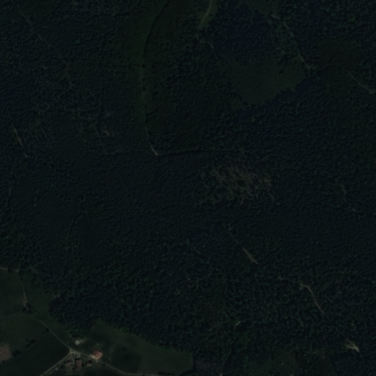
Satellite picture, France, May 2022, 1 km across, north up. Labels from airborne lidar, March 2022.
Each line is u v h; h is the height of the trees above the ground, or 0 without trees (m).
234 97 14
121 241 8
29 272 16
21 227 10
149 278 16
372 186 14
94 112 20
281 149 31
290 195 27
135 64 17
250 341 22
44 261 9
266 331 23
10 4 14
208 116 12
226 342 9
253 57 31
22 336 0
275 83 0
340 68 17
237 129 29
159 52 12
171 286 20
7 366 0
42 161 24
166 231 13
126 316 30
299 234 30
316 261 17
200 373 25
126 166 18
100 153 11
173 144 18
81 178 17
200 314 5
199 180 28
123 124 19
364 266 27
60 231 9
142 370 0
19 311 0
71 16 14
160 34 18
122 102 18
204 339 14
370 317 6
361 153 21
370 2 28
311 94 33
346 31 21
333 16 14
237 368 21
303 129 29
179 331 27
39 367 0
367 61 26
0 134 31
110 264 14
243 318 27
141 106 17
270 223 21
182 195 18
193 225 10
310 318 14
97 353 0
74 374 0
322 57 20
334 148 26
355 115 20
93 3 6
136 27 13
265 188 24
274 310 8
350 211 15
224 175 26
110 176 16
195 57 16
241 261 22
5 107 31
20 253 11
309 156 29
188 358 0
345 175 23
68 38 15
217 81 12
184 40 10
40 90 31
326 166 28
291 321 27
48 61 8
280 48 16
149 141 11
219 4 10
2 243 11
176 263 21
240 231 15
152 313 19
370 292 13
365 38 35
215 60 30
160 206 16
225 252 25
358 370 33
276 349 15
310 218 30
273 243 19
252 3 0
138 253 9
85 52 22
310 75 10
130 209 17
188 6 13
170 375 8
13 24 9
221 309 9
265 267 19
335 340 33
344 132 28
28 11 7
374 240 28
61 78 7
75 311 31
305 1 35
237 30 23
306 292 12
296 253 20
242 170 31
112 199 21
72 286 10
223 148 21
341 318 16
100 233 9
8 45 10
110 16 11
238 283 15
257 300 31
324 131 28
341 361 31
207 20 0
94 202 12
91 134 6
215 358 21
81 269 18
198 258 27
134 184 22
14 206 8
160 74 11
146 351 0
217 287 16
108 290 25
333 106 18
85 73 7
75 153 12
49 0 10
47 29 12
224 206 24
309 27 33
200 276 28
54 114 7
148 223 15
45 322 0
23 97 33
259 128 28
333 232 26
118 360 0
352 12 30
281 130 30
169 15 12
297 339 27
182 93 8
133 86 14
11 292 0
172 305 16
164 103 12
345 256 24
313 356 7
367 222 28
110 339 0
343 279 9
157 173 16
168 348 20
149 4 9
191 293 15
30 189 9
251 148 31
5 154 35
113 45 17
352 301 18
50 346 0
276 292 5
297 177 24
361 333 29
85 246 14
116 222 18
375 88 13
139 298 25
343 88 19
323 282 31
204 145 22
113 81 14
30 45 16
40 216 11
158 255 12
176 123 13
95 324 18
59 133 8
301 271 31
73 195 13
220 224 22
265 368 22
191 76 16
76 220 10
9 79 31
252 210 27
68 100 24
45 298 0
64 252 8
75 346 0
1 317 0
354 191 21
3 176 26
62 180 17
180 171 21
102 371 0
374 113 24
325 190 22
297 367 0
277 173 26
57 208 12
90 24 12
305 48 37
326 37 14
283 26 13
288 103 18
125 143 16
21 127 28
